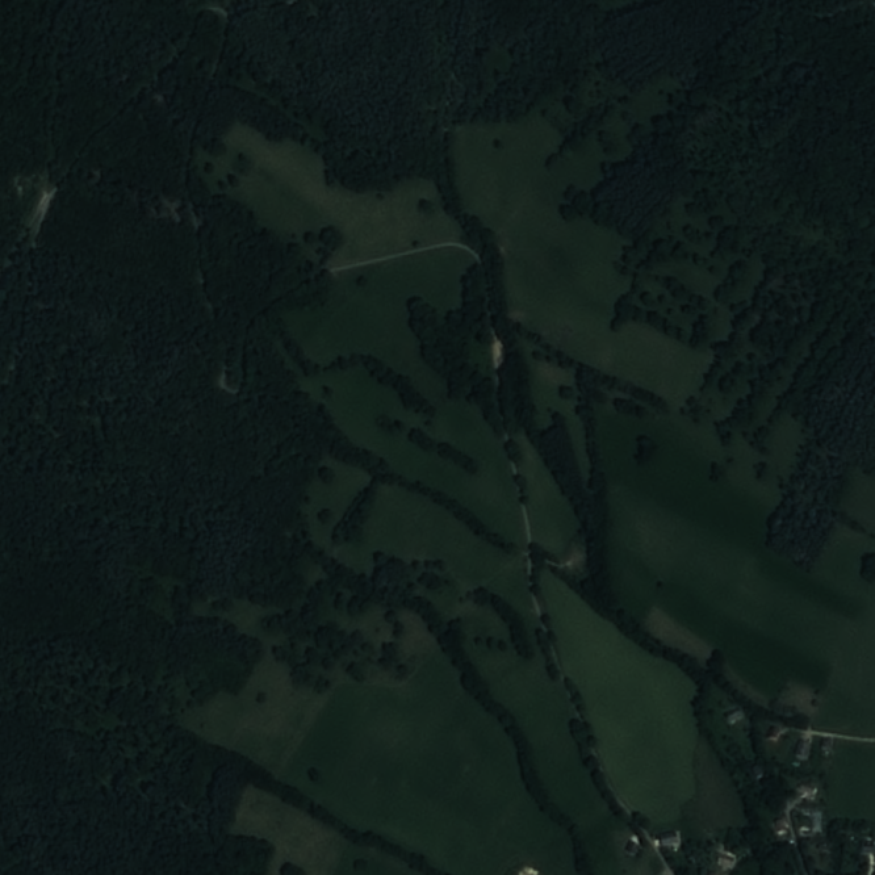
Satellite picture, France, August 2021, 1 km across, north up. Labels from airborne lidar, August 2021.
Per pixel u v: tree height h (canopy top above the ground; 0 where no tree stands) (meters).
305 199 0
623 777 0
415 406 15
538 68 10
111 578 31
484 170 0
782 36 26
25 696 22
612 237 0
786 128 27
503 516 0
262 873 9
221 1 10
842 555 0
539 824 0
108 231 14
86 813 21
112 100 19
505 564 0
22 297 12
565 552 0
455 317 17
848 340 15
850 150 22
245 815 0
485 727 0
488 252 12
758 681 0
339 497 0
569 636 0
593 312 0
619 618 16
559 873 0
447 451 17
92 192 22
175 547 27
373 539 0
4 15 10
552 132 0
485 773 0
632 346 0
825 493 16
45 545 24
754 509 0
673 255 16
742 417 21
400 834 0
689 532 0
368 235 0
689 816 0
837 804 0
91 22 22
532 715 0
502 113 16
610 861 0
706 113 22
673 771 0
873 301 11
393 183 18
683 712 0
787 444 0
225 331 23
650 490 0
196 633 19
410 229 0
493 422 18
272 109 18
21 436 25
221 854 17
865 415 21
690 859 9
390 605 10
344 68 17
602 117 8
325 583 15
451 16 15
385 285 0
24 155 8
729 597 0
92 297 20
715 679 11
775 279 18
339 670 0
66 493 24
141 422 20
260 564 25
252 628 0
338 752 0
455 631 17
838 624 0
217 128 20
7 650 21
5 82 13
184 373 24
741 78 24
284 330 18
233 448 21
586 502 19
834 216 18
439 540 0
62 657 31
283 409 25
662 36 21
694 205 13
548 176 0
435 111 7
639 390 13
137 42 19
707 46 15
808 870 15
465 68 21
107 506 21
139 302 18
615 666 0
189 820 30
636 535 0
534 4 10
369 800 0
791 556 17
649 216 22
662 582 8
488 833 0
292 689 0
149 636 6
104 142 18
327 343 0
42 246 9
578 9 14
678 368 0
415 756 0
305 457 16
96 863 22
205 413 19
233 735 0
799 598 0
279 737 0
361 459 18
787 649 0
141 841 24
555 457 16
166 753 10
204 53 22
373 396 0
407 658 0
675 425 0
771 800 14
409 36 21
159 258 15
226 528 28
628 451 0
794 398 16
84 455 10
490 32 17
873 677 0
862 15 21
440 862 0
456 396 15
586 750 9
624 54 22
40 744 22
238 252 20
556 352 8
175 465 21
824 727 0
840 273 16
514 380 23
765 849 22
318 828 0
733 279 15
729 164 16
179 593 18
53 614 13
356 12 16
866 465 22
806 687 0
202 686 19
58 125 13
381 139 25
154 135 16
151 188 13
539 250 0
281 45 23
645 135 16
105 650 16
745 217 9
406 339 0
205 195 20
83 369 17
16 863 25
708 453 0
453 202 15
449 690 0
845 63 30
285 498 20
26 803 13
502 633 0
